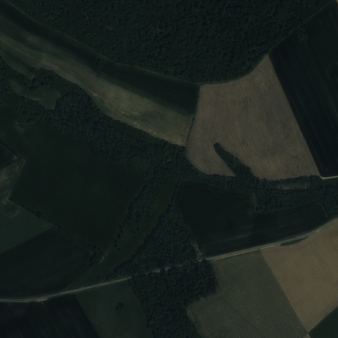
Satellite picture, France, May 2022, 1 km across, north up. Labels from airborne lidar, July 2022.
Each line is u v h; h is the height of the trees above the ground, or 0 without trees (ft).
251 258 0
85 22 55
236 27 86
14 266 0
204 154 0
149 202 74
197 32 83
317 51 0
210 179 26
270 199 24
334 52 0
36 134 0
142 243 0
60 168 0
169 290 86
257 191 79
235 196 0
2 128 0
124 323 0
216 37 70
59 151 0
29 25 0
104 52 55
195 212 0
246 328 0
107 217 0
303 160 0
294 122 0
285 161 0
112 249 0
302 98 0
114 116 0
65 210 0
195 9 26
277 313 0
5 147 0
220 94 0
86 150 0
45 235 0
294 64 0
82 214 0
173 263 87
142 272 69
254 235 0
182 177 25
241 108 0
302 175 0
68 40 0
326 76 0
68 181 0
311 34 0
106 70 0
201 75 54
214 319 0
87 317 0
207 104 0
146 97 0
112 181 0
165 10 71
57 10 65
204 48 62
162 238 92
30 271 0
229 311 0
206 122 0
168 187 0
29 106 60
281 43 0
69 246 0
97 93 0
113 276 60
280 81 0
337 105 0
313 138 0
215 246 0
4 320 0
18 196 0
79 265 0
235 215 0
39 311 0
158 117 0
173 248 85
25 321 0
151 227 0
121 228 72
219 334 0
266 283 0
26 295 0
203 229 0
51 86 26
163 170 73
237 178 45
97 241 0
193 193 0
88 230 0
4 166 0
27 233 0
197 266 80
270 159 0
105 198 0
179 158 74
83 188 0
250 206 0
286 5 90
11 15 0
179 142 0
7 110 0
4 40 0
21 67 0
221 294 0
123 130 42
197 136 0
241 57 65
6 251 0
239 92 0
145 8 82
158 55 69
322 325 0
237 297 0
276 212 0
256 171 0
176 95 0
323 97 0
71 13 59
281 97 0
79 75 0
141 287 51
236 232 0
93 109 73
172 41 67
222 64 63
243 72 40
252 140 0
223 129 0
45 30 0
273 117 0
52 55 0
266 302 0
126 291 0
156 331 73
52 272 0
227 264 0
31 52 0
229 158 39
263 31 86
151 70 42
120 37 64
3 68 42
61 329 0
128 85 0
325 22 0
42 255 0
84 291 0
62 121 60
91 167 0
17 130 0
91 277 0
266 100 0
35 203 0
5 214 0
